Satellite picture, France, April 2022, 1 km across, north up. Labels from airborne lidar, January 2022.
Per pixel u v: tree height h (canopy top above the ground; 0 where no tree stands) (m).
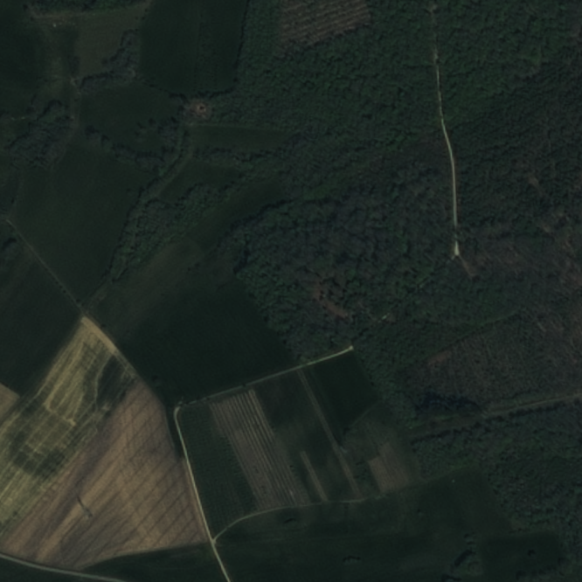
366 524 0
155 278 0
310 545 0
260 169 19
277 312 22
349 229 30
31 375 0
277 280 23
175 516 0
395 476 0
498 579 0
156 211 14
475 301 25
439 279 22
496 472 12
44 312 0
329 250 31
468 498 0
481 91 17
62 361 0
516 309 22
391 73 20
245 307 0
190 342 0
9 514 0
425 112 20
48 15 17
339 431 0
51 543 0
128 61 17
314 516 0
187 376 0
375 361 20
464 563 14
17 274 0
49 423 0
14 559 0
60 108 23
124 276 6
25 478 0
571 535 17
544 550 0
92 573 0
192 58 0
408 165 8
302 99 21
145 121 0
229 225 0
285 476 0
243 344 0
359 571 0
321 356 16
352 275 21
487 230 24
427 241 28
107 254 0
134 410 0
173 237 15
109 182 0
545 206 13
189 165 0
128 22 0
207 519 0
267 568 0
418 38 20
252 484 0
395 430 0
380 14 20
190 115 23
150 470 0
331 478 0
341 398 0
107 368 0
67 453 0
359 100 20
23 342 0
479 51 17
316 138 15
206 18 0
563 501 28
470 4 23
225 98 16
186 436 0
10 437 0
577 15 27
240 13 0
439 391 6
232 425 0
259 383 0
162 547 0
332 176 18
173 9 0
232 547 0
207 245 0
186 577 0
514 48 20
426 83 15
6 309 0
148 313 0
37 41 0
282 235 24
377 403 0
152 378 0
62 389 0
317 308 16
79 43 0
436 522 0
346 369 0
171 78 0
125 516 0
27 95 0
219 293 0
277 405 0
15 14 0
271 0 16
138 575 0
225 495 0
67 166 0
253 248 20
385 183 9
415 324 12
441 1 18
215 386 0
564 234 26
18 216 0
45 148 20
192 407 0
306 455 0
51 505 0
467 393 6
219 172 0
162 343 0
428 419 23
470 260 26
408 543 0
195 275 0
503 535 0
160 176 17
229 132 0
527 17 23
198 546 0
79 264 0
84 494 0
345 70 20
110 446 0
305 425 0
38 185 0
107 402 0
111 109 0
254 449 0
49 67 0
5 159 0
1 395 0
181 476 0
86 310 0
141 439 0
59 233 0
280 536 0
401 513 0
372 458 0
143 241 13
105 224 0
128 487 0
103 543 0
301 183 23
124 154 19
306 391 0
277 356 0
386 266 24
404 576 0
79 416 0
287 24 0
